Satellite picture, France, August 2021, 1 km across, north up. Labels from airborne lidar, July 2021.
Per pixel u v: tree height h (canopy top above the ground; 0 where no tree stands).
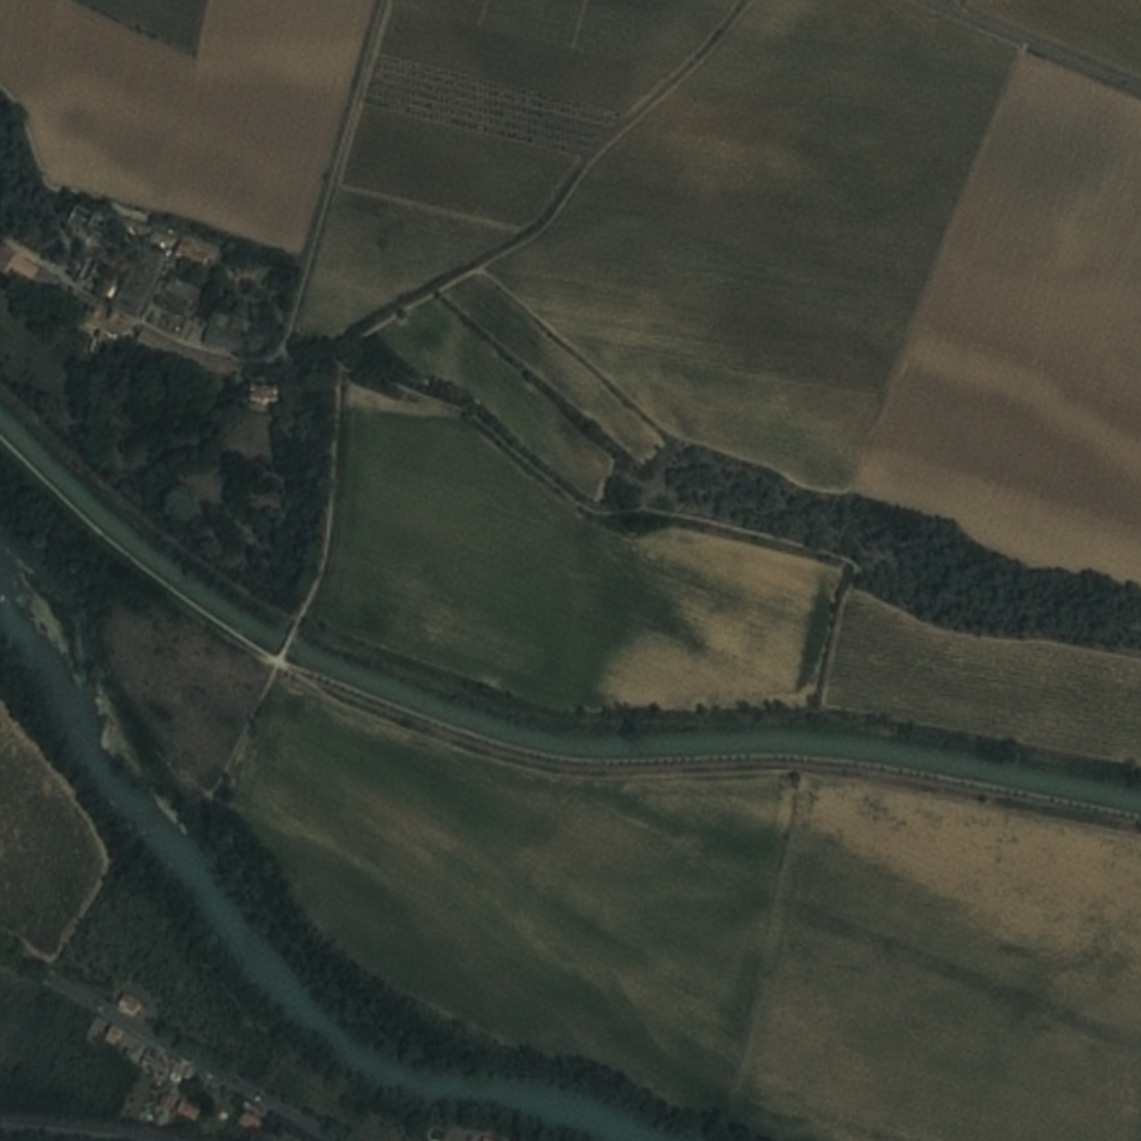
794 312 0
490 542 0
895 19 0
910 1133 0
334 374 16
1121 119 0
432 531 0
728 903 0
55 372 0
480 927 0
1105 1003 0
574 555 0
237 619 0
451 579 0
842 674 0
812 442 0
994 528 0
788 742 0
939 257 0
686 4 0
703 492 15
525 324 0
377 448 0
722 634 0
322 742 0
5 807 0
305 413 15
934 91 0
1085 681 0
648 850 0
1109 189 0
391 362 11
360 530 0
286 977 0
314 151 0
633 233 0
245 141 0
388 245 0
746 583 0
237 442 0
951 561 19
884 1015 0
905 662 0
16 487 16
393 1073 0
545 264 0
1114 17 0
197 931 14
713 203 0
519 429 0
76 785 12
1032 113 0
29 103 0
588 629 0
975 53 0
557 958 0
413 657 0
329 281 0
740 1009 0
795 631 0
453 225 0
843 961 0
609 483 10
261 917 18
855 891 0
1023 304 0
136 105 0
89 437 26
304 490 8
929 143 0
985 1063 0
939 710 0
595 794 0
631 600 0
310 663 0
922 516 9
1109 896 0
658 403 0
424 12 0
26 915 0
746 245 0
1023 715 0
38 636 0
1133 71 0
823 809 0
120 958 7
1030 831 0
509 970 0
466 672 0
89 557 20
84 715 0
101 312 0
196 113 0
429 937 0
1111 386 0
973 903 0
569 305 0
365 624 0
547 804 0
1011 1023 0
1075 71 0
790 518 14
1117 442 0
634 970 0
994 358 0
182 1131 9
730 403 0
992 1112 0
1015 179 0
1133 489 0
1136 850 0
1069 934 0
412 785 0
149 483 19
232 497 13
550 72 0
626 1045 0
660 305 0
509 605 0
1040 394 0
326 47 0
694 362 0
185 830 21
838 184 0
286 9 0
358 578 0
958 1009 0
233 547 22
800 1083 0
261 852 13
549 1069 20
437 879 0
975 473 0
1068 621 16
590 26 0
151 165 0
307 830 0
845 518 21
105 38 0
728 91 0
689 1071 0
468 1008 0
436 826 0
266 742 0
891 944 0
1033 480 0
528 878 0
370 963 0
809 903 0
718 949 0
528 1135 7
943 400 0
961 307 0
